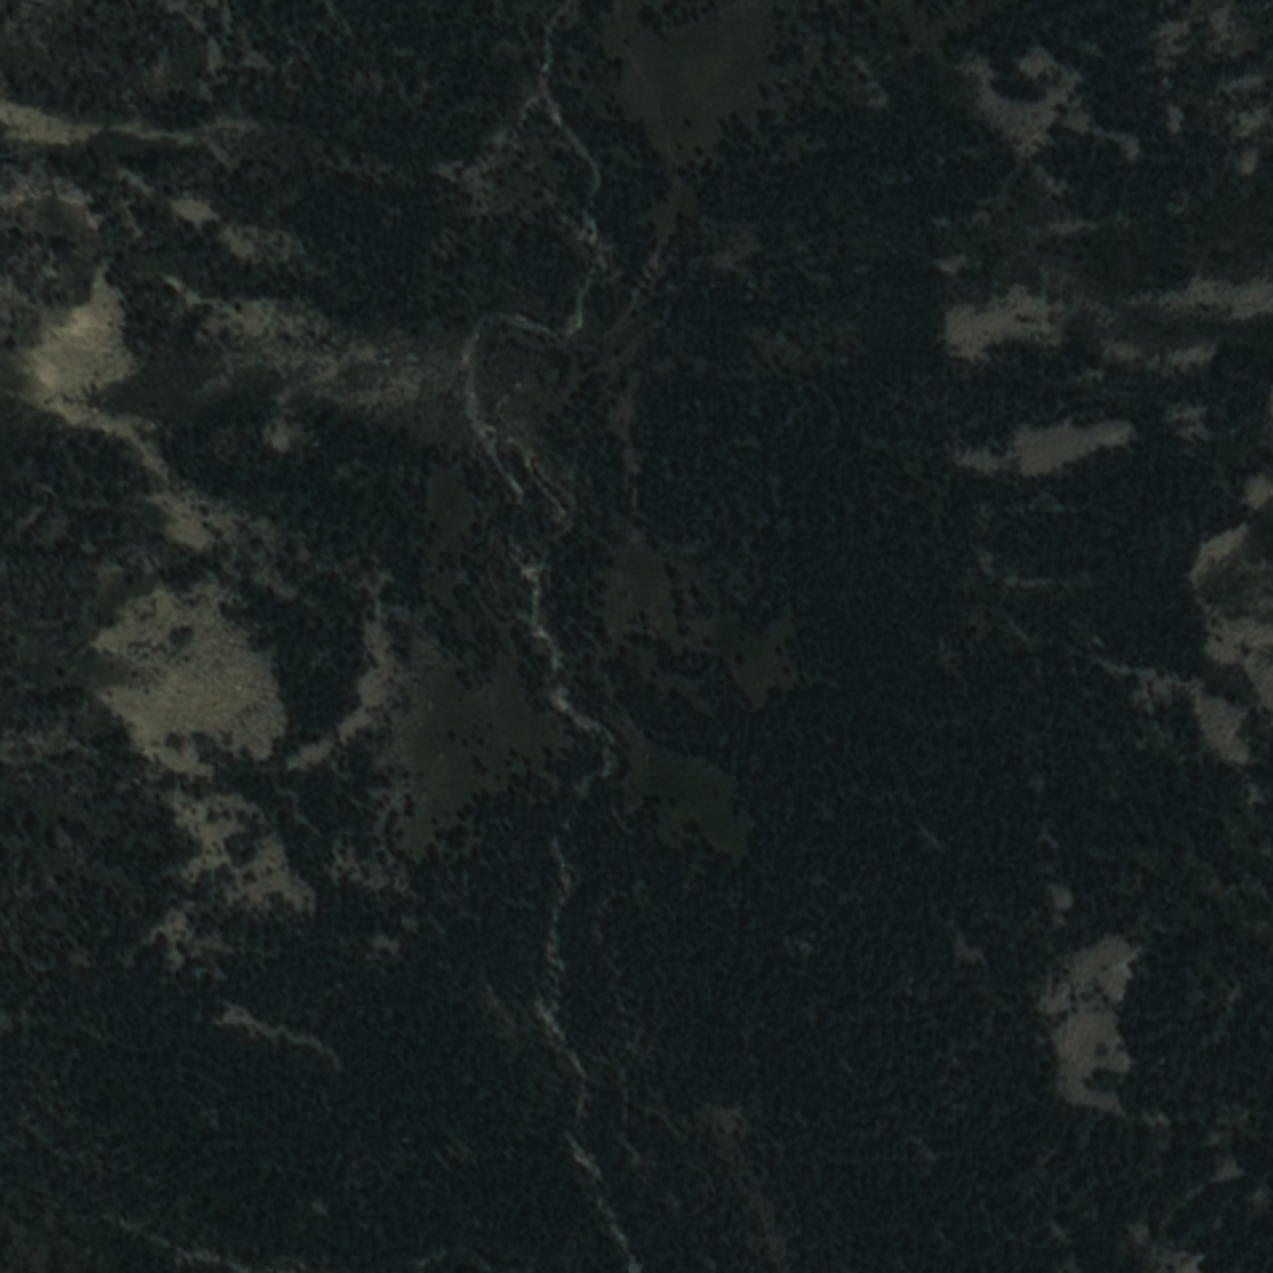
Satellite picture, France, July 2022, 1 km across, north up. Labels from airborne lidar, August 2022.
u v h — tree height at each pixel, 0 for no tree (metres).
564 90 10
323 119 12
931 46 0
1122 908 11
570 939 10
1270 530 0
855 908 15
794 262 9
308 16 13
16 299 0
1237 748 0
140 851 13
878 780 20
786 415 22
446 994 11
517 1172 12
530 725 0
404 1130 19
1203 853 12
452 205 8
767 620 7
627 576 0
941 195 8
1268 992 14
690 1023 15
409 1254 17
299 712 10
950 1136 14
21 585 15
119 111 8
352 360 0
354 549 12
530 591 8
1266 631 0
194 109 8
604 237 8
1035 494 8
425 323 10
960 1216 20
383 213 9
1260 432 10
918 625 6
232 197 9
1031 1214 15
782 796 12
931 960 15
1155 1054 18
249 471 7
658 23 10
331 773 14
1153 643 9
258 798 10
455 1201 7
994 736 13
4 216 13
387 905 9
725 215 10
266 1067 16
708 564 10
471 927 16
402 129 6
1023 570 6
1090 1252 12
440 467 10
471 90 8
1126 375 15
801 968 22
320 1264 11
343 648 11
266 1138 17
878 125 9
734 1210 13
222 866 7
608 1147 13
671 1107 14
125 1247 8
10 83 10
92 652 0
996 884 14
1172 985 12
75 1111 17
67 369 0
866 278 7
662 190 11
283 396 0
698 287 8
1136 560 13
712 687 9
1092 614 7
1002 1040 12
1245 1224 11
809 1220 14
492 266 14
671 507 10
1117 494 10
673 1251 13
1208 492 7
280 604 15
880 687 8
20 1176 16
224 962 12
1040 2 12
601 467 16
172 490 0
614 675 12
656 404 7
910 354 9
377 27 12
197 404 0
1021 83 8
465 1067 14
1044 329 0
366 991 19
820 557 12
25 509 9
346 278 10
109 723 0
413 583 16
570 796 17
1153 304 0
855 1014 20
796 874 11
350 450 14
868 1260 18
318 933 17
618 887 7
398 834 9
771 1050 9
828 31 7
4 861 8
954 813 13
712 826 0
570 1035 7
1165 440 12
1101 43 9
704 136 0
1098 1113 8
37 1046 14
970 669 11
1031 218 0
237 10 9
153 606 0
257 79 14
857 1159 18
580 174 10
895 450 9
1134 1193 18
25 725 9
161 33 7
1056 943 13
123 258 17
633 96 0
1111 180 11
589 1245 9
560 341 6
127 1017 14
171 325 15
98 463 9
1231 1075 17
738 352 10
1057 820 8
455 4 12
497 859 13
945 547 12
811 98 9
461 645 10
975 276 10
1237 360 9
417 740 0
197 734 8
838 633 10
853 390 16
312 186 7
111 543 9
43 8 9
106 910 13
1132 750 8
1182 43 7
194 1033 18
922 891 14
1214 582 0
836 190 11
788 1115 12
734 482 9
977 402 8
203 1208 7
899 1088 11
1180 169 12
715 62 0
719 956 16
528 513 11
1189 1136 16
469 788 0
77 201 0
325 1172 13
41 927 11
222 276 8
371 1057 19
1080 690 12
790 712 14
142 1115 13
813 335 7
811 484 6
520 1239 10
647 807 8
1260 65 13
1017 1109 17
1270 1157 14
